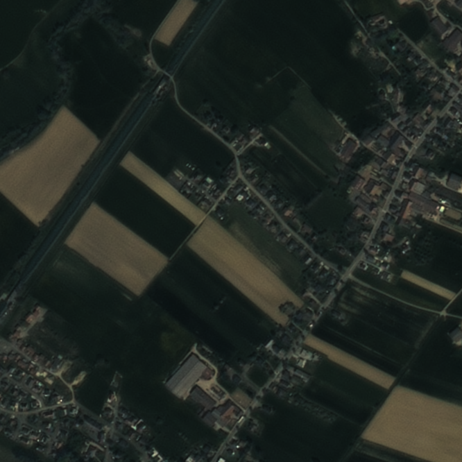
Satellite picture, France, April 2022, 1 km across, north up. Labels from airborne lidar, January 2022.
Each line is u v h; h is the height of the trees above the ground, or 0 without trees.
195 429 0
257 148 0
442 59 0
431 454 0
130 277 0
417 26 0
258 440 0
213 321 0
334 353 0
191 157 0
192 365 0
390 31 16
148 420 0
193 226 0
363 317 0
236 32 0
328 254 10
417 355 0
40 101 0
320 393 0
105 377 0
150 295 0
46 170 0
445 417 0
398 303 0
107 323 0
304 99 0
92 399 0
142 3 0
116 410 0
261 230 0
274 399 0
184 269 0
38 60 0
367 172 0
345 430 0
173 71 6
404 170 0
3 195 0
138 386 0
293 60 0
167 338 0
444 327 0
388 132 0
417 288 0
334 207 0
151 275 0
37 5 0
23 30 0
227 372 14
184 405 0
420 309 0
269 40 0
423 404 0
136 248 0
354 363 0
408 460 0
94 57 0
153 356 0
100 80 0
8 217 0
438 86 6
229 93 0
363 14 0
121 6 0
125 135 0
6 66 0
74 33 0
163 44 0
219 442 0
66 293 0
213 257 0
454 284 0
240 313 0
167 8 0
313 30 0
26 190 0
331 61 0
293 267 0
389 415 0
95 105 0
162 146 0
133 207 0
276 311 0
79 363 0
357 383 0
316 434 0
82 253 0
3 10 0
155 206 0
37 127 17
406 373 0
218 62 0
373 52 0
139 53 0
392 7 0
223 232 0
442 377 0
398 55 13
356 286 0
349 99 0
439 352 0
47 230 0
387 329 0
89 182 0
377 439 0
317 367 0
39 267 0
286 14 0
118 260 0
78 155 0
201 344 7
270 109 0
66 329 0
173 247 0
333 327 0
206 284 0
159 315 0
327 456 0
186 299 0
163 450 0
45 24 0
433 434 0
